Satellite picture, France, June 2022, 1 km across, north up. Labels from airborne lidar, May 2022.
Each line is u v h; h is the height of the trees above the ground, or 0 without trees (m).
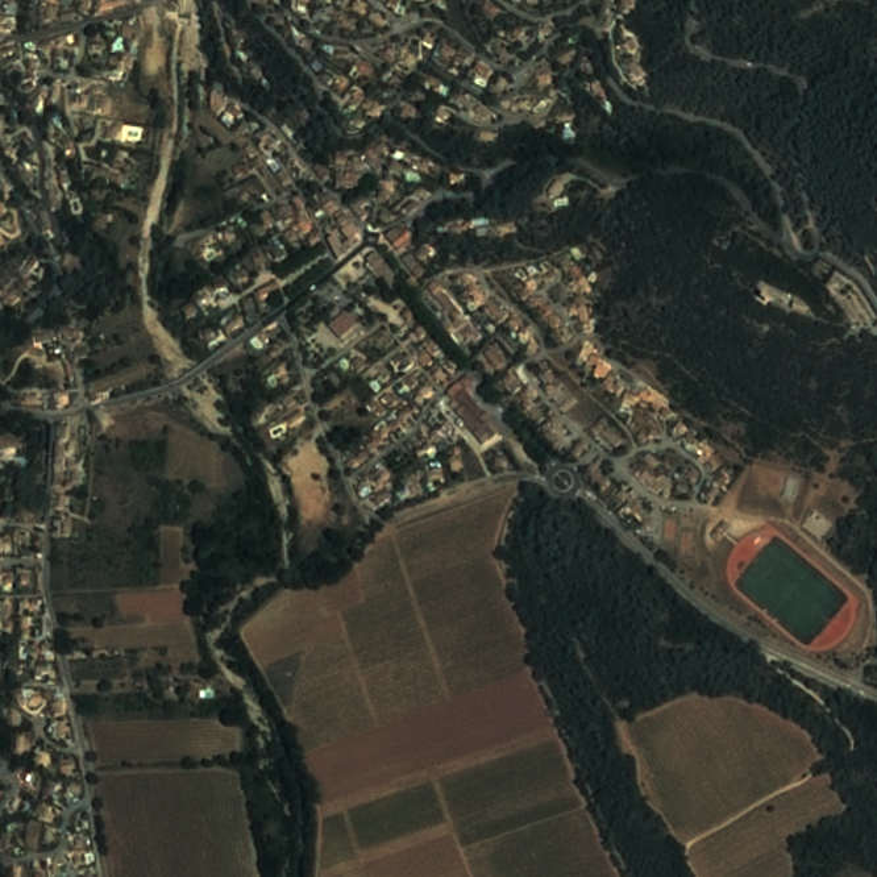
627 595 13
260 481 7
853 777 14
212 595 8
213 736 0
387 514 17
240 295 12
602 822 8
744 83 16
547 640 11
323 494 0
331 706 0
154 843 0
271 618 0
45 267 9
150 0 0
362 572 0
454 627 0
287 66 9
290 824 6
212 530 11
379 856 0
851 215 17
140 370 0
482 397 16
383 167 9
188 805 0
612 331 6
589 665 7
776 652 0
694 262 6
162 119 7
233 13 11
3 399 14
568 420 0
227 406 7
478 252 18
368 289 11
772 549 0
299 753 22
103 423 0
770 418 6
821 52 17
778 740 0
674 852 14
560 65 14
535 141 13
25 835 6
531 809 0
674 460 0
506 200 18
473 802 0
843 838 12
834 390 9
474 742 0
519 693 0
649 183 12
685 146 7
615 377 0
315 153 15
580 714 9
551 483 0
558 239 10
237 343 0
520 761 0
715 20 7
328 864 0
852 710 11
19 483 20
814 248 8
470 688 0
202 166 0
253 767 8
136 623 0
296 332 11
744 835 0
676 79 14
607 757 20
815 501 0
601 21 7
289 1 9
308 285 14
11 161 6
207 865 0
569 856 0
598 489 5
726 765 0
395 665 0
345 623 0
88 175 9
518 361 13
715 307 7
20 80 8
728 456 0
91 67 6
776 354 7
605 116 10
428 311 13
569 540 13
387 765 0
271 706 13
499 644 0
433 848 0
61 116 6
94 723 0
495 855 0
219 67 14
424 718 0
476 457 0
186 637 0
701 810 0
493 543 0
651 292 7
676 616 10
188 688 11
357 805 0
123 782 0
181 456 0
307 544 0
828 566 0
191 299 7
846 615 0
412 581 0
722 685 13
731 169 8
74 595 0
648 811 10
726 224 6
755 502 0
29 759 6
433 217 15
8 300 0
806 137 17
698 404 7
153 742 0
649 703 12
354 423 0
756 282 7
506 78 8
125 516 0
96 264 24
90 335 9
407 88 11
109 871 0
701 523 0
